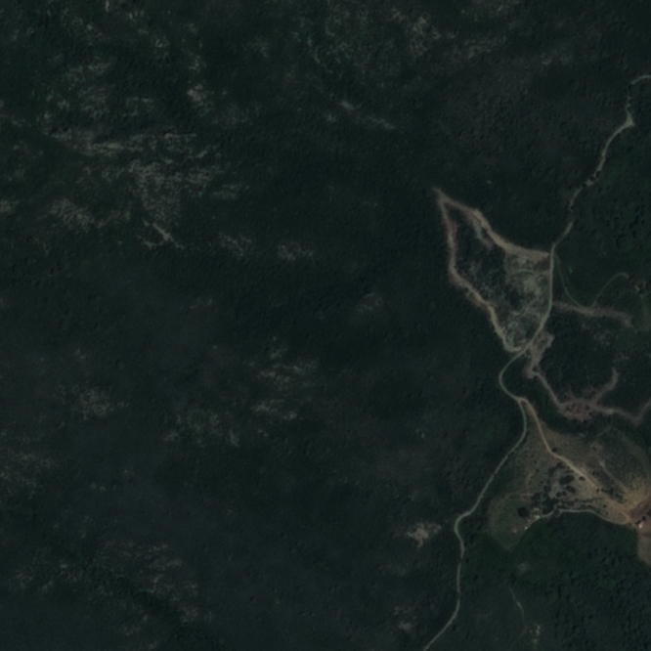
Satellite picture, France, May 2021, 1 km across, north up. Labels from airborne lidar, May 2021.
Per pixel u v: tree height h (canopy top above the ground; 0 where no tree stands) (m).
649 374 5
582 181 5
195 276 8
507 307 0
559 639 11
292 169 16
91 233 6
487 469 8
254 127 9
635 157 8
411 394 6
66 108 7
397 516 8
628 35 11
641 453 0
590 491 0
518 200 9
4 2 7
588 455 0
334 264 8
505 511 0
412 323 7
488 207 13
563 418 6
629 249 12
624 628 8
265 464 7
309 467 8
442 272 13
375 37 6
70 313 11
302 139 10
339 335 10
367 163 7
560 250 6
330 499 5
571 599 11
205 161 8
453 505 6
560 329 9
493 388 6
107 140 8
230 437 8
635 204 9
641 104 8
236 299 11
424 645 7
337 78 12
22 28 6
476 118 11
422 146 6
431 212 9
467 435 9
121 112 8
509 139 12
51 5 7
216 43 6
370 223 7
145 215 6
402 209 11
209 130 9
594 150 9
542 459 0
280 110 6
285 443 11
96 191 5
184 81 8
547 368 10
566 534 7
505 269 5
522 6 13
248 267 11
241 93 5
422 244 11
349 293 17
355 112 8
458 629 9
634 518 0
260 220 6
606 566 8
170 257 8
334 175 14
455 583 7
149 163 7
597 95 10
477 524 13
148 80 10
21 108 7
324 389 9
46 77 6
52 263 5
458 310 17
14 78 6
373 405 5
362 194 6
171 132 12
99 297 10
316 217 8
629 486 0
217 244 6
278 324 10
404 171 9
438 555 8
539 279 0
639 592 7
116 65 8
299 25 7
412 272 6
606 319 6
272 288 11
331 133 7
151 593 6
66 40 9
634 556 7
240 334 8
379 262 14
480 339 10
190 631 14
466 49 11
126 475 0
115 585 9
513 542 0
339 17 6
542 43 9
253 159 11
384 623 9
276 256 8
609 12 11
